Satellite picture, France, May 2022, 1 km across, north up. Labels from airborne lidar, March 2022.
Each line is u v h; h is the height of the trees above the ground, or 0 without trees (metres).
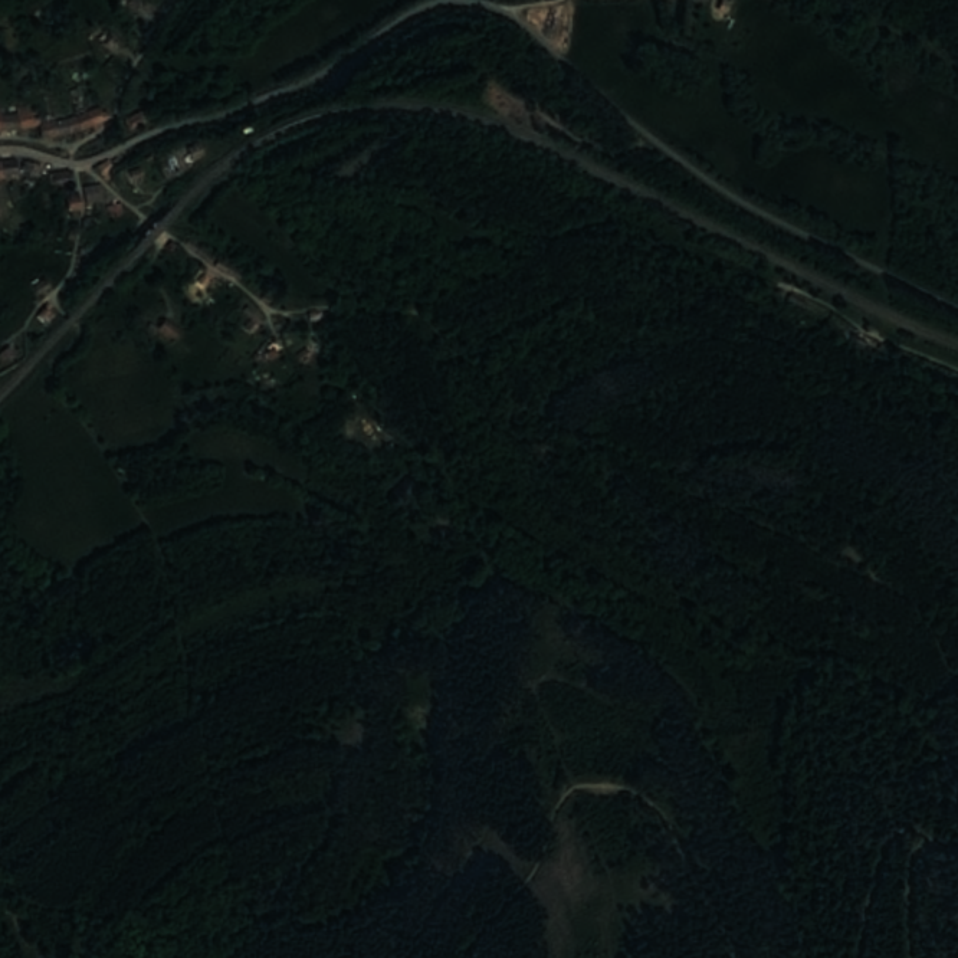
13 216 0
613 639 30
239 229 0
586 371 10
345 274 12
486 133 16
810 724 10
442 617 23
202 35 22
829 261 9
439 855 29
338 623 14
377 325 10
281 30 0
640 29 0
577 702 8
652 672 32
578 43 0
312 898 24
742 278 7
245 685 18
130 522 0
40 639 16
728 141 0
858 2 18
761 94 0
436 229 18
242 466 0
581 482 13
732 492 21
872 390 18
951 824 24
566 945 0
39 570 19
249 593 12
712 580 27
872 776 14
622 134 29
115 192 0
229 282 0
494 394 7
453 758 27
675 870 30
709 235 8
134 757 17
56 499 0
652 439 15
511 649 27
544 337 11
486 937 27
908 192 23
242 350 0
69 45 0
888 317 0
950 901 30
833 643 12
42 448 0
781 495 19
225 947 19
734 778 30
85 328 6
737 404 18
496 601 25
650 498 16
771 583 11
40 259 0
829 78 0
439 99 9
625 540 20
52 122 0
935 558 12
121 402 0
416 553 8
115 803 15
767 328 16
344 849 24
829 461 17
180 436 11
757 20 0
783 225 0
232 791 19
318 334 10
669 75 24
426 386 15
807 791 11
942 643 14
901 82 0
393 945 27
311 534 17
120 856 11
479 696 27
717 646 25
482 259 19
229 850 19
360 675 18
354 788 20
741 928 26
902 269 11
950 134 0
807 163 0
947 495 25
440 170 12
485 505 7
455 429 15
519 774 23
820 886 16
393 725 16
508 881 30
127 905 19
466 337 14
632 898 0
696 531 12
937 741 30
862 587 16
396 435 23
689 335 13
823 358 14
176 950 21
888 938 11
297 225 16
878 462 19
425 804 20
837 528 14
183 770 14
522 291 16
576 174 22
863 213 0
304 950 28
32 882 11
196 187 0
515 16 0
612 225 22
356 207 12
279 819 15
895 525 7
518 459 10
